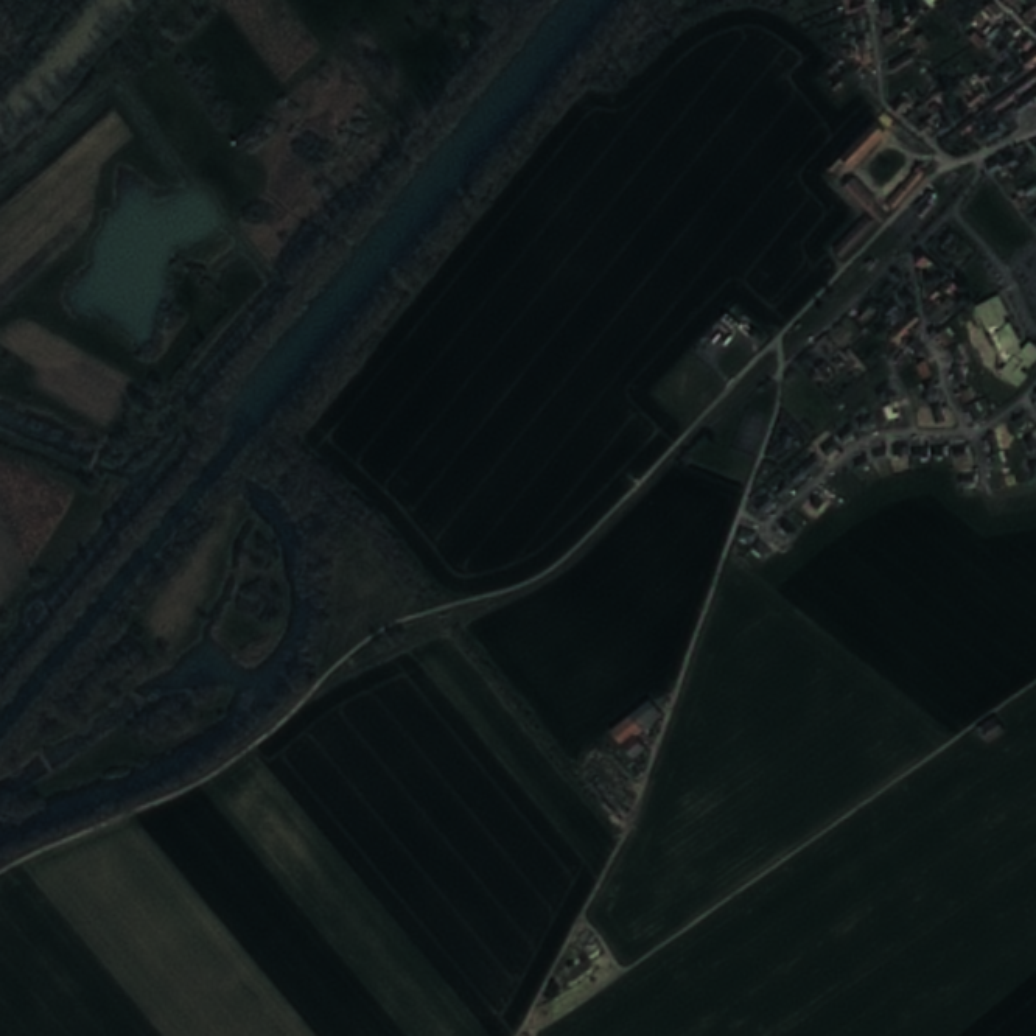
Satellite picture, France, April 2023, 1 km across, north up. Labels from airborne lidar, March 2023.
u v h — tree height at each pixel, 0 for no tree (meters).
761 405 0
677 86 0
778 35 0
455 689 0
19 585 0
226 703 0
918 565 0
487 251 0
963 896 0
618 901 0
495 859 0
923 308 0
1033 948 0
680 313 0
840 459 0
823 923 0
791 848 0
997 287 0
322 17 0
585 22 0
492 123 0
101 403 0
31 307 0
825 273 0
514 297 0
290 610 0
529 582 0
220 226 0
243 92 0
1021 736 0
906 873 0
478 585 0
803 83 0
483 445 0
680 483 0
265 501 0
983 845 0
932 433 0
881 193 0
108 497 0
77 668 24
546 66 0
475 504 0
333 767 0
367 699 0
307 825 0
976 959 0
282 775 0
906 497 0
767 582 0
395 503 0
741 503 0
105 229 0
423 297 0
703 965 0
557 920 0
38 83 0
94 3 7
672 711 0
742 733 0
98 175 0
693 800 0
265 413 0
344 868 0
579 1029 0
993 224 0
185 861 0
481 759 0
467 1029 0
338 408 0
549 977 0
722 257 0
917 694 0
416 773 0
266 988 0
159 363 0
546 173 0
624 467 0
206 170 0
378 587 0
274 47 0
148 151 0
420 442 0
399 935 0
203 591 0
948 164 0
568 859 0
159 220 0
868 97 0
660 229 0
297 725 0
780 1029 0
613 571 0
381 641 15
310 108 0
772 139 0
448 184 0
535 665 0
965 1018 0
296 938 0
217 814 0
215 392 19
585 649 0
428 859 0
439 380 0
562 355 0
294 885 0
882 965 0
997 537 0
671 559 0
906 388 0
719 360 0
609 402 0
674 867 0
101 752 0
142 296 0
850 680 0
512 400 0
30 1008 0
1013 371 0
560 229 0
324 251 29
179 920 0
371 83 0
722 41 0
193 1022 0
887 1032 0
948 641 0
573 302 0
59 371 0
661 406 0
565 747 0
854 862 0
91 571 26
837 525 0
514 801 0
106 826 0
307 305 13
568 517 0
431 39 0
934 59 0
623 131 0
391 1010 0
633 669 0
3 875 0
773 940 0
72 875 0
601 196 0
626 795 0
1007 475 0
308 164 6
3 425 0
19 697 0
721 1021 0
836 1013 0
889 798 0
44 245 0
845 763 0
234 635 0
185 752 0
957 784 0
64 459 0
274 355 0
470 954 0
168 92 0
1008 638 0
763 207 0
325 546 14
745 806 0
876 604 0
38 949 0
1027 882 0
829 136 0
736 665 0
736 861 0
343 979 0
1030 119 0
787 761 0
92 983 0
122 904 0
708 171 0
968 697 0
